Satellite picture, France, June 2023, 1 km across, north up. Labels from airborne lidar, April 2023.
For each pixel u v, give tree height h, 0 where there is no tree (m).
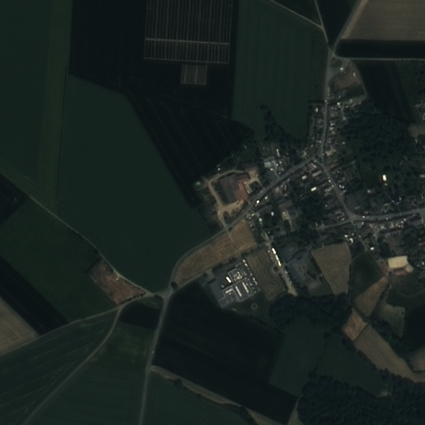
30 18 0
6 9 0
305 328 0
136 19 0
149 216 0
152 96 0
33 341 0
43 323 0
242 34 0
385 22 0
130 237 0
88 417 0
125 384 0
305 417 20
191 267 0
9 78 0
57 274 0
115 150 0
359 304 0
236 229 0
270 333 0
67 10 0
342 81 0
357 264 0
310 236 9
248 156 0
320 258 0
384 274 0
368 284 0
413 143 16
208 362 0
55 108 0
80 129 0
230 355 0
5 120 0
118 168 0
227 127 0
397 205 10
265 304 0
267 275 0
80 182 0
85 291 0
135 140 0
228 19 0
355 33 0
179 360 0
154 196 0
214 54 0
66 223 0
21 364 0
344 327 0
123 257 0
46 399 0
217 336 0
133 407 0
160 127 0
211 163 0
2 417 0
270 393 0
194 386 0
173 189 0
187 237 0
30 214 0
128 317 0
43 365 0
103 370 0
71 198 0
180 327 0
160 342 0
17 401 0
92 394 0
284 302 18
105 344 0
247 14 0
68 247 0
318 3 0
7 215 0
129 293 0
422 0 0
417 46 0
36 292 0
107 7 0
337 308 19
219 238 0
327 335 15
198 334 0
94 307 0
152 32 0
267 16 0
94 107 0
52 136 0
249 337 0
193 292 0
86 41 0
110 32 0
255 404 0
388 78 0
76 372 0
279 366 0
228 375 0
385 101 0
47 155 0
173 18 0
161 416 0
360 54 0
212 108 0
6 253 0
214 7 0
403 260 0
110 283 0
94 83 0
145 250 0
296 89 0
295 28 0
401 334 0
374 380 0
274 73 0
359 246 11
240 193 0
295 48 0
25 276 0
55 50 0
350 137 9
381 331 11
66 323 0
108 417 0
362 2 0
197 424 0
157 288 0
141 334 0
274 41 0
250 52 0
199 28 0
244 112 0
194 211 0
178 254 0
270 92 0
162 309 0
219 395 0
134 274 0
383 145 21
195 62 0
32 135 0
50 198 0
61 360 0
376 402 12
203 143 0
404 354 10
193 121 0
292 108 0
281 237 7
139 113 0
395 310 0
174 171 0
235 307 0
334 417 22
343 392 15
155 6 0
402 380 24
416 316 0
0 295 0
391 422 13
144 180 0
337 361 0
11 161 0
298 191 10
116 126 0
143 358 0
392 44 0
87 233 0
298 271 0
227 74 0
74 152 0
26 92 0
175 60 0
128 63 0
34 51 0
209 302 0
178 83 0
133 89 0
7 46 0
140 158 0
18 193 0
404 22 0
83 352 0
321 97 0
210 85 0
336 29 0
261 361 0
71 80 0
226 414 0
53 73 0
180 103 0
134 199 0
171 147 0
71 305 0
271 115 11
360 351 8
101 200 0
